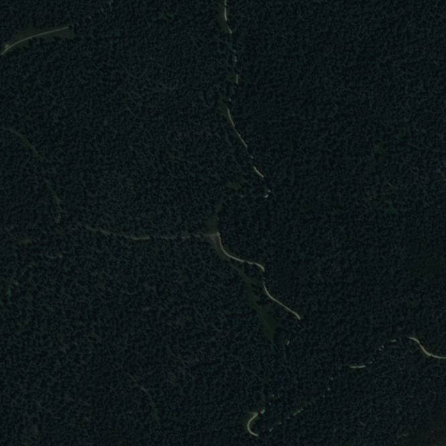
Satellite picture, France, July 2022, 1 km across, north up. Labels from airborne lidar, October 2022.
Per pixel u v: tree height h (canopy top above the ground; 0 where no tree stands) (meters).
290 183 24
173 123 27
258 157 25
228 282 19
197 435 8
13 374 18
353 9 17
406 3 19
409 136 10
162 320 25
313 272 18
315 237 22
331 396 29
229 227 32
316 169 11
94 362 21
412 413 15
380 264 9
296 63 27
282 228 16
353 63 20
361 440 17
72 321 15
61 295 37
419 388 18
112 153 7
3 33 31
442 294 16
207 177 9
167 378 21
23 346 15
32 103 13
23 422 27
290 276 10
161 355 17
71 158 12
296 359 27
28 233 12
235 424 6
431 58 12
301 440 14
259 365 31
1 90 22
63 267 31
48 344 19
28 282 31
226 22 0
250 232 26
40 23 28
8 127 10
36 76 13
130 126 10
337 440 17
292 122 20
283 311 32
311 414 11
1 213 14
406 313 12
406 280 16
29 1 27
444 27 21
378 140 8
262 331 27
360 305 18
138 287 21
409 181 17
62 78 20
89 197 19
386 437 15
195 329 31
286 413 26
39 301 33
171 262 25
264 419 29
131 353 22
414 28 7
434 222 12
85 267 35
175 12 28
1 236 21
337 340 35
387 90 18
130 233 28
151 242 9
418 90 25
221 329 34
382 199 19
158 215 22
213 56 14
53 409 12
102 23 19
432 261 8
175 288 12
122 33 7
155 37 18
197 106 11
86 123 13
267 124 27
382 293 20
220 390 22
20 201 25
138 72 17
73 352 16
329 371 19
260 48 7
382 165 6
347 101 20
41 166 13
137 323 24
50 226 11
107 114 16
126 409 15
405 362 17
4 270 17
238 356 35
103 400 21
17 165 34
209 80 10
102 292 10
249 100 23
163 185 26
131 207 11
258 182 13
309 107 24
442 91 11
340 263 18
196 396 16
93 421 12
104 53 16
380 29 20
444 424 14
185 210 15
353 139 20
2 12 14
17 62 16
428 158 12
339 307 18
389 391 14
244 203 32
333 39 20
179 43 18
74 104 17
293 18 15
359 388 17
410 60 22
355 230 15
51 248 26
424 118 19
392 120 12
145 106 25
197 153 25
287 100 20
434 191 19
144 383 21
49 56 27
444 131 19
